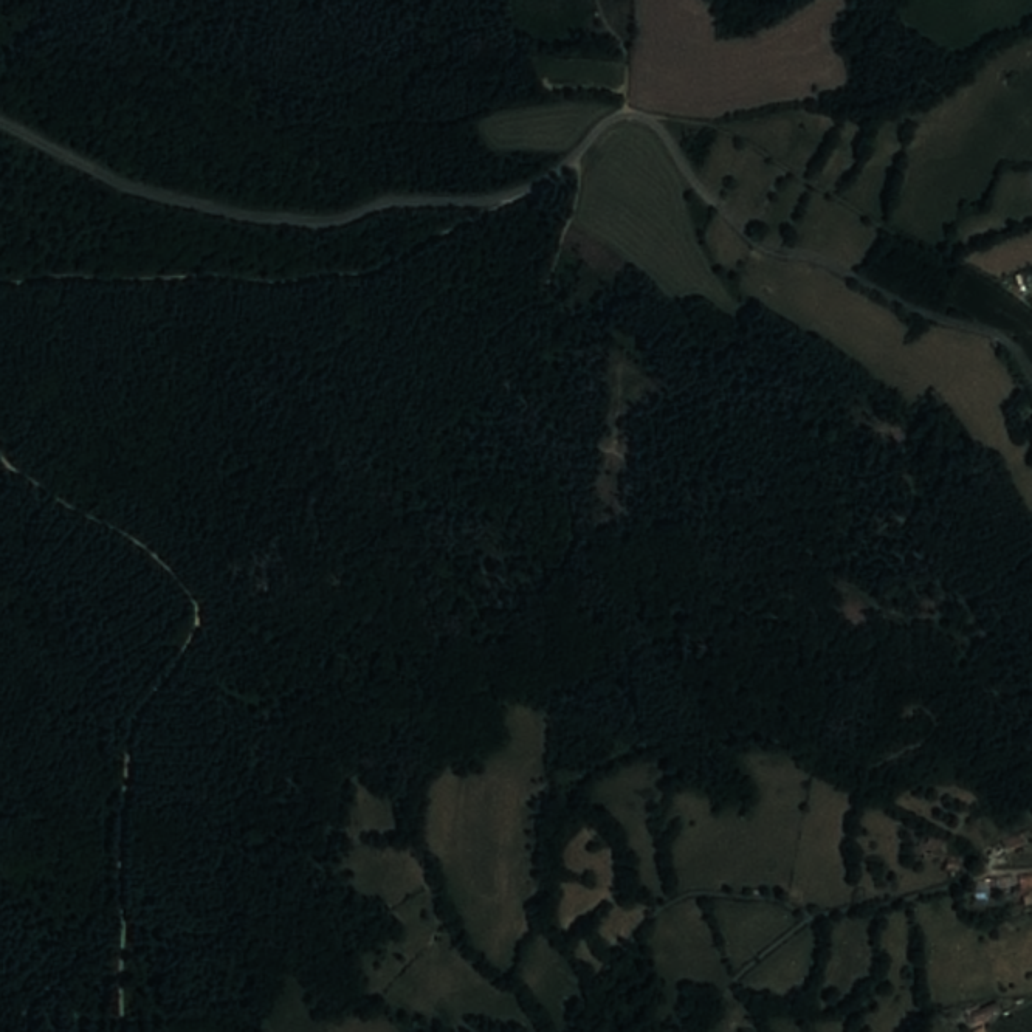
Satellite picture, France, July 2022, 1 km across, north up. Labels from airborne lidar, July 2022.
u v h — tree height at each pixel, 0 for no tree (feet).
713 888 0
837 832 0
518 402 68
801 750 58
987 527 76
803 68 0
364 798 0
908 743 22
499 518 27
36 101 25
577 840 0
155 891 68
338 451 35
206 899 50
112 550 73
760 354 102
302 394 61
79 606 75
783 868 0
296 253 26
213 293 60
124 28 75
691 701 92
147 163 29
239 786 35
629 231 0
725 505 51
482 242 38
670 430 52
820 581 65
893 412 63
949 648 50
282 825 68
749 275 0
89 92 45
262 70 64
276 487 42
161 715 64
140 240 39
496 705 71
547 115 0
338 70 70
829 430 93
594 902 0
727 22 39
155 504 38
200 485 42
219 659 50
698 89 0
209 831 62
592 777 59
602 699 113
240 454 65
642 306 84
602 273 0
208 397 48
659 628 67
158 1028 71
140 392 57
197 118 46
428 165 44
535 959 0
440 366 46
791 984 0
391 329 55
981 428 0
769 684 74
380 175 43
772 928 0
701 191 0
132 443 27
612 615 74
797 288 0
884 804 42
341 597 40
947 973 0
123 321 52
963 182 0
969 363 0
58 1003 78
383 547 32
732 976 24
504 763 0
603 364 61
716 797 30
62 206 33
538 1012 70
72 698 49
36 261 23
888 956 32
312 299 52
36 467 40
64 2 73
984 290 0
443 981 0
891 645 43
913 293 47
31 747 43
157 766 64
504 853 0
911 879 0
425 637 76
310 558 33
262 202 27
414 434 63
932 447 68
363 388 59
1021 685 71
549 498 35
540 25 0
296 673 38
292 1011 0
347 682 38
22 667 54
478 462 26
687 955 0
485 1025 59
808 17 0
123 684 68
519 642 79
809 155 0
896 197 60
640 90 0
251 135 35
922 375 0
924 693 24
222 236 27
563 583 78
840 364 99
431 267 48
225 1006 87
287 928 51
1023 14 0
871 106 79
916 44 61
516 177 23
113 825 65
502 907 0
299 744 71
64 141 25
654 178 0
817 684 72
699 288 0
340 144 34
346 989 86
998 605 75
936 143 0
